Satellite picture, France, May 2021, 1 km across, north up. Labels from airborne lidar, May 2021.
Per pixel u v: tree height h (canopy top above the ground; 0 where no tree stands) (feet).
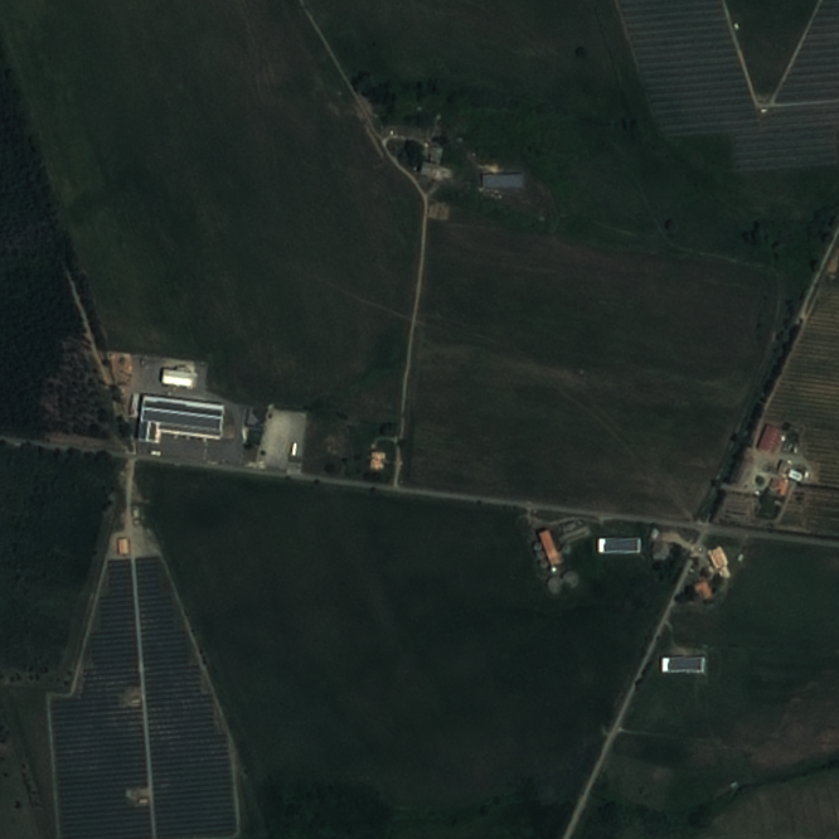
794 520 0
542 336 0
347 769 0
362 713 0
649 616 0
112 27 0
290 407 0
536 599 0
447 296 0
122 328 0
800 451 0
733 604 0
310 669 0
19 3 0
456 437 0
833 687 0
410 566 0
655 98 0
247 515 0
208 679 0
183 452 0
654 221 0
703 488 0
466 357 0
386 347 0
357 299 0
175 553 0
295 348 0
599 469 0
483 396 0
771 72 0
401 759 0
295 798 20
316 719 0
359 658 0
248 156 0
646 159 0
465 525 0
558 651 0
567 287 0
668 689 0
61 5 0
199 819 0
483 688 0
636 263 0
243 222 0
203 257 0
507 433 0
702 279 0
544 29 0
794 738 0
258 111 0
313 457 0
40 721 0
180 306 0
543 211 0
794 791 0
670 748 0
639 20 0
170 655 0
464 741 0
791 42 0
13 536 27
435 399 0
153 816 0
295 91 0
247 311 0
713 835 0
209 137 0
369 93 63
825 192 0
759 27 0
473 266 0
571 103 0
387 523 0
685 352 0
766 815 0
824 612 0
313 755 0
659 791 0
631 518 0
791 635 0
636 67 0
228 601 0
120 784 0
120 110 0
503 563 0
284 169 0
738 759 0
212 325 0
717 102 0
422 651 0
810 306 0
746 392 0
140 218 0
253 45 0
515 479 0
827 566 0
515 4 0
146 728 0
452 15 0
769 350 0
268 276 0
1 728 68
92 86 0
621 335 0
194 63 0
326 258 0
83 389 47
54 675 0
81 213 0
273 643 0
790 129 0
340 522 0
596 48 0
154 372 0
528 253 0
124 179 0
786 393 0
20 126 66
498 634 0
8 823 0
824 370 0
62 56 0
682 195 0
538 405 0
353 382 0
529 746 0
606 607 0
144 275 0
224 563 0
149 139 0
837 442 0
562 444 0
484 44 0
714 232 0
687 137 0
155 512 0
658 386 0
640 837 0
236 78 0
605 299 0
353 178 0
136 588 0
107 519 0
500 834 0
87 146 0
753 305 0
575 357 0
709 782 0
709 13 0
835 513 0
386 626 0
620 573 0
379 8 0
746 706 0
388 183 0
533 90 0
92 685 0
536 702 0
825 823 0
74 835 0
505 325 0
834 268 0
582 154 0
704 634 0
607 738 0
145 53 0
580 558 0
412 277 0
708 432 0
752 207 0
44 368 49
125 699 0
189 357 0
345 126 0
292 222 0
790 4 0
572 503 0
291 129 0
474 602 0
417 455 0
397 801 0
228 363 0
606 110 0
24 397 53
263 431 0
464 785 0
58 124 0
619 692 0
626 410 0
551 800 20
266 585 0
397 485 0
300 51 0
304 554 0
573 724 0
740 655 0
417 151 55
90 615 0
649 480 0
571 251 0
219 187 0
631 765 0
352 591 0
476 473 0
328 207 0
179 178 0
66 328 30
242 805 0
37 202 57
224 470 0
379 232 0
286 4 0
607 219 0
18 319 39
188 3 0
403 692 0
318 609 0
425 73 0
